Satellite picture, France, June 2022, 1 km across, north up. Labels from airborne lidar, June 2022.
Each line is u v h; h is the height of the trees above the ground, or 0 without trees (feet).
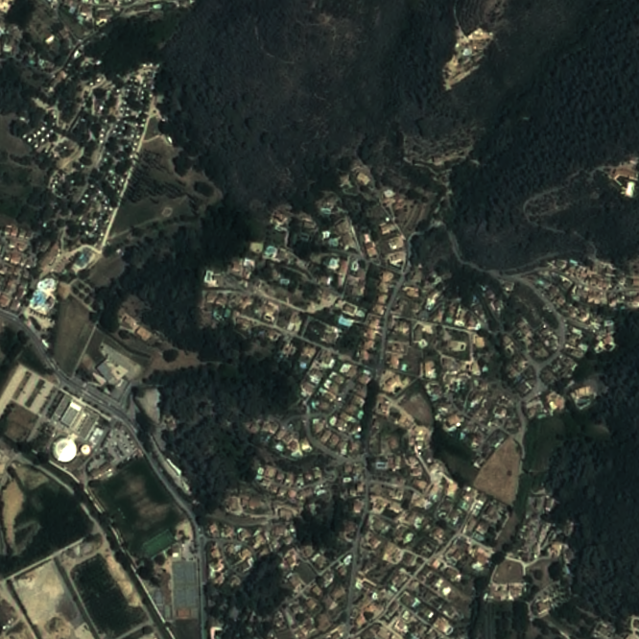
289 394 74
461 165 29
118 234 0
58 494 18
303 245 57
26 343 25
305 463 26
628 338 63
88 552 0
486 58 22
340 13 43
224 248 59
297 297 0
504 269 30
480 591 45
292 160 33
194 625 0
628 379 22
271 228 20
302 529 30
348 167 41
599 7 45
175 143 39
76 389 0
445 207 37
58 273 30
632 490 48
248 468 62
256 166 22
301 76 17
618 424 59
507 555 20
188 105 52
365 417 36
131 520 0
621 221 40
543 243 19
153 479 0
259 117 20
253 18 31
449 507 0
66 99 49
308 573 0
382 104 25
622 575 32
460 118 56
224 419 61
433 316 21
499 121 37
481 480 0
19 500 0
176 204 0
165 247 78
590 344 39
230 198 51
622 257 60
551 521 41
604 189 31
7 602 0
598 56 19
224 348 65
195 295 59
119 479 0
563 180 24
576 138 21
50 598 0
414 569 18
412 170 31
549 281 22
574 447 63
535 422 22
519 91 20
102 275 0
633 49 52
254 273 23
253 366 30
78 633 0
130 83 35
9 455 0
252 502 0
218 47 43
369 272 17
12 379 0
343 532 33
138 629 0
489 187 39
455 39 23
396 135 27
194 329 36
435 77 34
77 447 0
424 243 64
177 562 0
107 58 49
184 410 61
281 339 22
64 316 0
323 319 22
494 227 25
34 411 0
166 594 0
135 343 0
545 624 36
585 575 73
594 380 0
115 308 40
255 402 72
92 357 0
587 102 58
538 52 20
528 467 22
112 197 58
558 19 24
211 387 59
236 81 22
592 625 30
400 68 31
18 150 0
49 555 19
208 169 56
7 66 52
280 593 51
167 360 37
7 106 67
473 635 60
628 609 33
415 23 20
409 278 29
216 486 57
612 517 32
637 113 51
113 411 0
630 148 29
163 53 40
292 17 23
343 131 27
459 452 18
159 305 44
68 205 31
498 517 0
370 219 19
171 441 73
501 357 20
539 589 27
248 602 71
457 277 42
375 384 45
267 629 45
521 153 38
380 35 21
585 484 79
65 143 21
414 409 0
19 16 34
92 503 37
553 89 31
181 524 0
